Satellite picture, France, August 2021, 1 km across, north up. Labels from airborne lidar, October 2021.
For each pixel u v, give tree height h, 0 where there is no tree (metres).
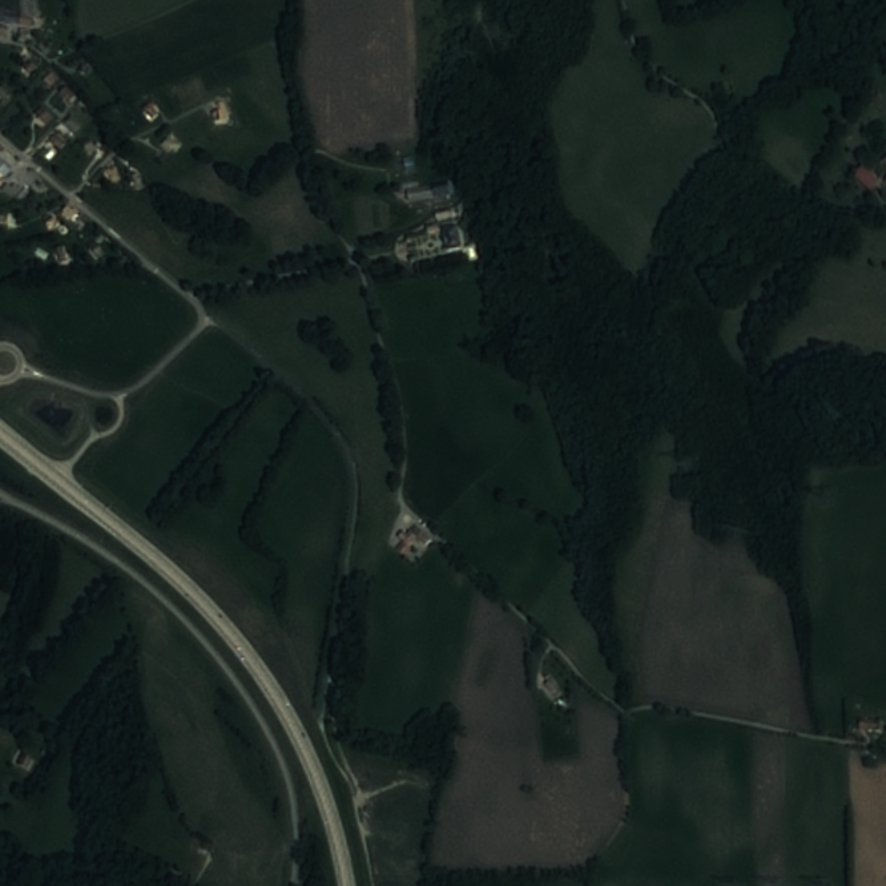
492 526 0
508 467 0
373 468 0
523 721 0
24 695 23
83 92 12
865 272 0
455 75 22
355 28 0
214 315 0
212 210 27
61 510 0
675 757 0
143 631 0
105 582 11
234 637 0
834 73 28
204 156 24
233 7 0
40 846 0
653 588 0
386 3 0
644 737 0
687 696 0
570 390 20
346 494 0
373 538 0
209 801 0
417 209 0
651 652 0
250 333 0
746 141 28
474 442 0
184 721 0
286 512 0
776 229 28
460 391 0
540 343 25
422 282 0
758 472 21
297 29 19
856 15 25
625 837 0
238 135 0
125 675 6
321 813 0
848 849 9
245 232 26
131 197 0
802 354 14
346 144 0
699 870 0
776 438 8
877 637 0
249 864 0
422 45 0
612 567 21
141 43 0
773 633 0
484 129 26
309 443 0
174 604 0
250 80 0
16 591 13
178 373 0
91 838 23
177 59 0
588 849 0
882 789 0
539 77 15
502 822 0
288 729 0
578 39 17
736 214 25
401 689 0
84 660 0
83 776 18
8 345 0
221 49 0
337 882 0
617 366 33
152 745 14
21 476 0
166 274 0
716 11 19
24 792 11
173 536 0
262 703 0
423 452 0
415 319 0
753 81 0
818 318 0
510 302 23
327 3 0
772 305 25
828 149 12
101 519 0
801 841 0
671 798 0
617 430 33
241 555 0
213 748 0
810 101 0
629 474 28
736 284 29
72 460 0
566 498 0
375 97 0
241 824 0
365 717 0
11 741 0
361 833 0
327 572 0
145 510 0
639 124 0
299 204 0
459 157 11
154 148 0
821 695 0
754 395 12
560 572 0
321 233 0
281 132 0
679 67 0
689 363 29
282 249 0
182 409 0
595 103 0
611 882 0
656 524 0
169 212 18
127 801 19
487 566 0
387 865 0
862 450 19
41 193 8
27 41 8
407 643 0
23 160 0
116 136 19
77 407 0
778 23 0
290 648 0
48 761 10
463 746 0
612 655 23
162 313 0
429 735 18
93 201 0
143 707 7
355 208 0
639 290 23
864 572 0
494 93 22
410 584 0
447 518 0
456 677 0
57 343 0
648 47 12
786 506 8
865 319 0
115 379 0
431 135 7
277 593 7
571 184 0
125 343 0
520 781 0
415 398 0
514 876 14
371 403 0
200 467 20
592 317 22
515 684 0
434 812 16
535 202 31
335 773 0
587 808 0
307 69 0
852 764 0
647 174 0
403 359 0
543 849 0
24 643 19
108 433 0
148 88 0
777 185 17
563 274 28
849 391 29
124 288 0
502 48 8
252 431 0
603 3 0
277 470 10
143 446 0
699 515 13
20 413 0
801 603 16
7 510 8
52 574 19
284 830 0
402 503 0
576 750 0
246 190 14
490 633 0
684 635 0
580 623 0
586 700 0
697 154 0
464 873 12
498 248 9
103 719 20
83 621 23
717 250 25
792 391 24
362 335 0
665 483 0
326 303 0
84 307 0
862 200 7
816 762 0
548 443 0
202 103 0
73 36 9
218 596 0
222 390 0
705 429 15
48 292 0
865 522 0
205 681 0
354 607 23
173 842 0
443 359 0
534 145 8
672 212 17
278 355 0
